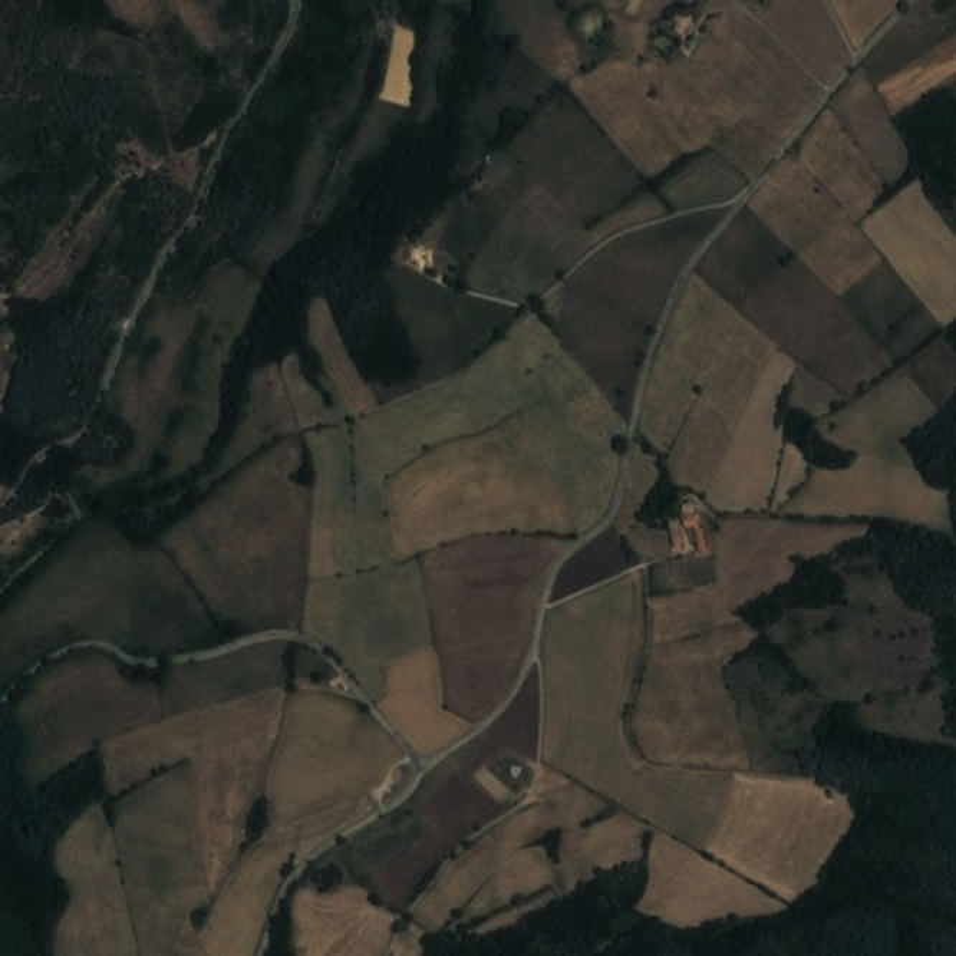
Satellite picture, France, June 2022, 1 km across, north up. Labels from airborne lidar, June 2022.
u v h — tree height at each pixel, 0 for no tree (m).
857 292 0
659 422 0
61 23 6
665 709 0
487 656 0
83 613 0
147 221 9
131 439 11
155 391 0
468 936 10
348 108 0
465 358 0
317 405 0
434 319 0
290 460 0
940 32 0
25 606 0
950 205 7
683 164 8
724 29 0
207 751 0
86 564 0
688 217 0
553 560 0
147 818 0
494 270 0
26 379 18
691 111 0
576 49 0
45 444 11
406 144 10
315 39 9
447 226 0
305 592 0
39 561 10
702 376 0
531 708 0
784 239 0
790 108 0
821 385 0
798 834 0
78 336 15
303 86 11
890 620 0
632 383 0
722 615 0
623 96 0
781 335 0
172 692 0
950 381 0
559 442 0
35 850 24
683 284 0
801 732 0
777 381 0
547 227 0
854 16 0
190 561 0
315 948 0
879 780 19
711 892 0
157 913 0
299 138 7
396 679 0
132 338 10
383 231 16
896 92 0
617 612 0
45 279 0
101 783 13
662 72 0
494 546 0
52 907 10
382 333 10
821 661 0
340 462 0
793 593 10
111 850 0
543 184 0
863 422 0
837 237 0
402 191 15
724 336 0
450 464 0
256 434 0
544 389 0
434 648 0
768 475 0
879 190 0
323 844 0
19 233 15
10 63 12
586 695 0
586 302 0
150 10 0
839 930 17
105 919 0
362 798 0
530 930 10
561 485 0
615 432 0
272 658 0
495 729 0
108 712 0
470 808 0
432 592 0
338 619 0
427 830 0
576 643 0
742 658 8
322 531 0
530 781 0
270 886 0
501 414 0
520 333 0
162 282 7
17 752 22
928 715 0
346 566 0
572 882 0
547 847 7
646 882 7
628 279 0
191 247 14
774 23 0
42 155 13
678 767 0
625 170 0
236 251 13
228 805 0
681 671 0
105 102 13
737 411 0
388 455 0
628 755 0
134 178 9
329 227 10
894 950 17
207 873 0
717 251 0
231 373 8
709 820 0
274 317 13
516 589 0
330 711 0
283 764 0
